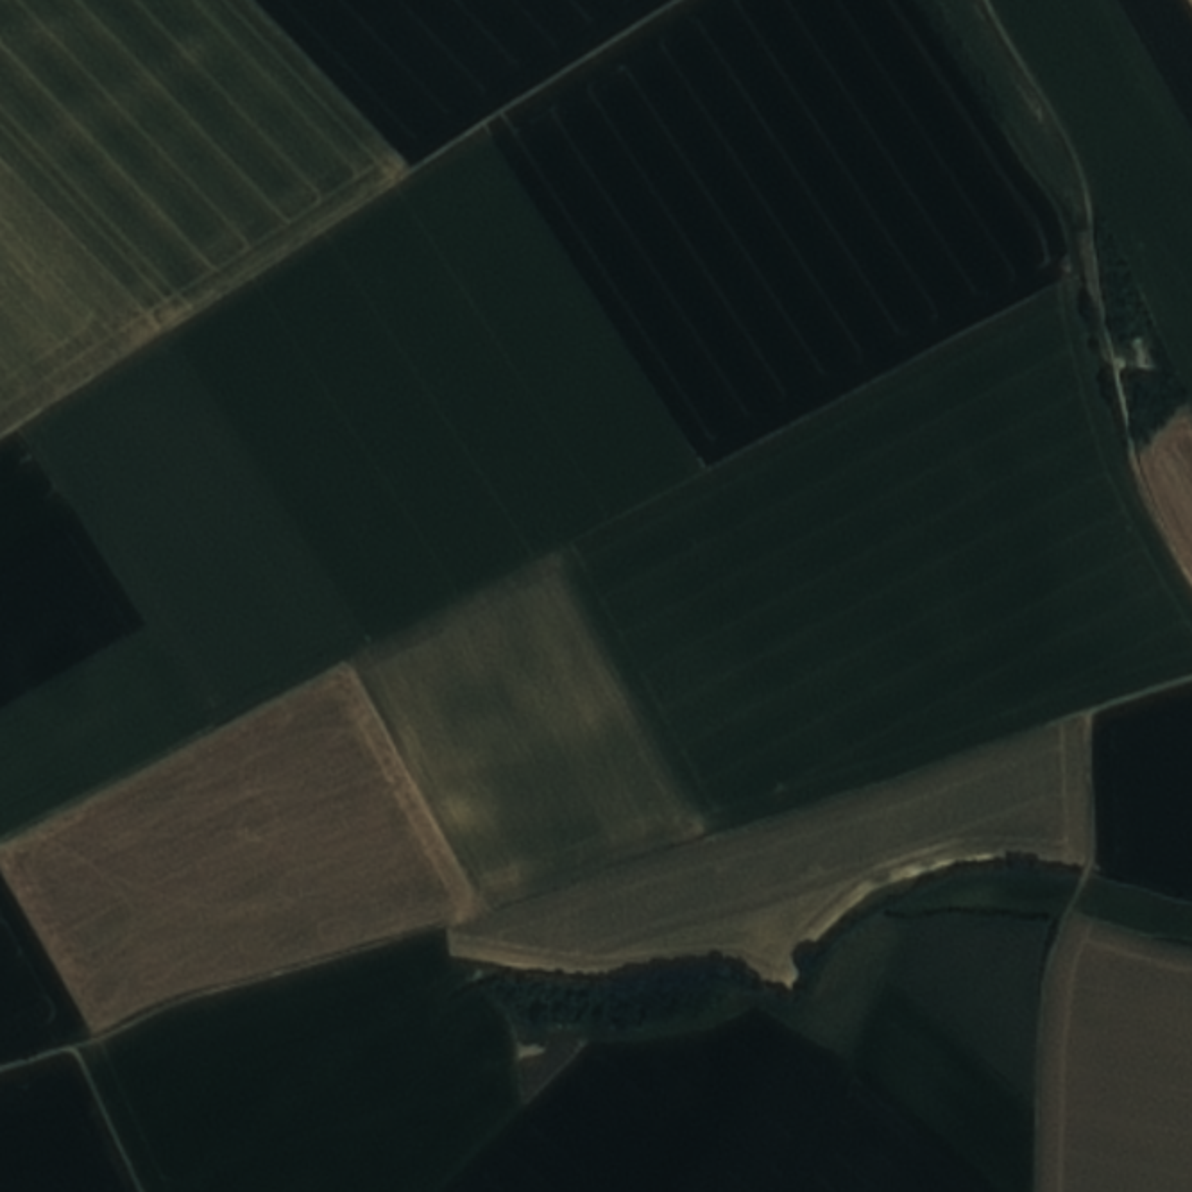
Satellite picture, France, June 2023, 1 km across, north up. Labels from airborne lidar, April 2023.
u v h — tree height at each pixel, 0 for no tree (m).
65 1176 0
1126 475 0
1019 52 0
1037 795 0
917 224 0
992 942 0
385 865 0
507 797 0
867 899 0
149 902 0
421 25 0
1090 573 0
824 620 0
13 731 0
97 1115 0
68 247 0
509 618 0
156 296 0
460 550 0
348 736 0
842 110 0
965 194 0
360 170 0
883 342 0
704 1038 0
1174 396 7
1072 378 0
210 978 0
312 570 0
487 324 0
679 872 0
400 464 0
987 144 0
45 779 0
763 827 0
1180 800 0
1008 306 0
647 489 0
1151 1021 0
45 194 0
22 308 0
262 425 0
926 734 0
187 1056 0
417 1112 0
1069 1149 0
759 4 0
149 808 0
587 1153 0
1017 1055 0
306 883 0
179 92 0
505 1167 0
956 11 0
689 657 0
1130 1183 0
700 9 0
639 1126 0
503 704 0
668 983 23
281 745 0
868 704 0
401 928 0
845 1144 0
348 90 0
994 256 0
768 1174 0
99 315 0
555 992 8
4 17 0
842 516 0
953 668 0
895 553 0
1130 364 0
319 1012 0
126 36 0
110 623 0
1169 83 0
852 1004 0
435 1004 0
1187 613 0
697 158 0
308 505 0
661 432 0
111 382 0
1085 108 0
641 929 0
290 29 0
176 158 0
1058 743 0
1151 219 0
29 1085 0
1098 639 0
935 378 0
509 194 0
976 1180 0
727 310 0
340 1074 0
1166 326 0
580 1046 0
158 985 0
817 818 0
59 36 0
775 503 0
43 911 0
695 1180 0
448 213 0
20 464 0
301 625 0
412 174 0
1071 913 0
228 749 0
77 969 0
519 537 0
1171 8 0
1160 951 0
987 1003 0
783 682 0
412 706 0
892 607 0
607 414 0
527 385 0
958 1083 0
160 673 0
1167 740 0
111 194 0
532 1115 0
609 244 0
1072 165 0
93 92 0
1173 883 0
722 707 0
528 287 0
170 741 0
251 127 0
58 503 0
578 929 0
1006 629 0
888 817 0
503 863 0
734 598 0
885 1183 0
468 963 0
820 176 0
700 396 0
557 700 0
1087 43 0
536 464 0
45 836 0
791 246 0
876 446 0
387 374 0
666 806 0
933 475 0
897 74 0
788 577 0
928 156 0
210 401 0
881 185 0
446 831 0
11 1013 0
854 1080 0
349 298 0
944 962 0
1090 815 0
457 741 0
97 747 0
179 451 0
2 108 0
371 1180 0
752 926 0
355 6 0
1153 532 0
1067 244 0
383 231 0
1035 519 0
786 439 0
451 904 0
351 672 0
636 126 0
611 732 0
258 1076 0
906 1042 0
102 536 0
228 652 0
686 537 0
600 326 0
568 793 0
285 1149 0
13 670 0
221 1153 0
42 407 0
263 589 0
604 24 0
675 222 0
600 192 0
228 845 0
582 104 0
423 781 0
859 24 0
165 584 0
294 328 0
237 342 0
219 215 0
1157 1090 0
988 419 0
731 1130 0
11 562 0
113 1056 0
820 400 0
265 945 0
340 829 0
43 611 0
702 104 0
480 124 0
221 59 0
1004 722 0
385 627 0
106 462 0
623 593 0
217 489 0
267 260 0
